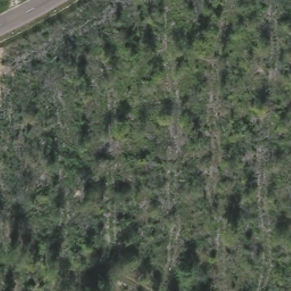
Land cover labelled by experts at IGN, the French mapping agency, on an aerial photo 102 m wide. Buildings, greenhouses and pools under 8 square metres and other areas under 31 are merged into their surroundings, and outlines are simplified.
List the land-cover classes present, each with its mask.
<instances>
[{"label":"deciduous trees","instance_id":"1","mask_svg":"<svg viewBox=\"0 0 291 291\"><path fill-rule=\"evenodd\" d=\"M0 291H291V0H68L50 10L48 14L34 19L33 22L0 36Z\"/></svg>","mask_w":291,"mask_h":291},{"label":"impervious surface","instance_id":"2","mask_svg":"<svg viewBox=\"0 0 291 291\"><path fill-rule=\"evenodd\" d=\"M68 0H0V36L33 22L34 19L48 14L50 10Z\"/></svg>","mask_w":291,"mask_h":291}]
</instances>
